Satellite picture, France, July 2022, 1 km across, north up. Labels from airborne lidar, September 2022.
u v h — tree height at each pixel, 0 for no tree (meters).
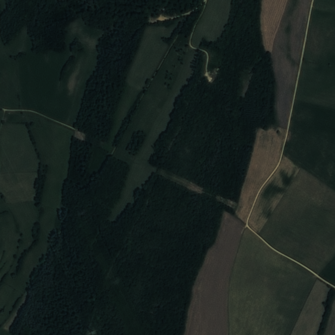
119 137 18
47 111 0
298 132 0
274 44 0
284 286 0
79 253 19
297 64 0
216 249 0
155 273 17
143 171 0
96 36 0
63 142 0
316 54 0
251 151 21
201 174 9
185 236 15
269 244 0
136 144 18
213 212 23
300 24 0
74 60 14
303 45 0
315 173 0
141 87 0
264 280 0
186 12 11
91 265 18
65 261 16
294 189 0
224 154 15
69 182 19
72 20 16
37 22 14
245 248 0
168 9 20
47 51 8
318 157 0
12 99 0
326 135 0
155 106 0
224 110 19
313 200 0
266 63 20
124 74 20
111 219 0
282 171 0
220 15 0
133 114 16
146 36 0
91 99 17
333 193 0
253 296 0
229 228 0
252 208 0
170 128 19
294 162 0
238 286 0
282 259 0
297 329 0
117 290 5
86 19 19
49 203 0
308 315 0
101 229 21
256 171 0
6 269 0
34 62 0
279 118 0
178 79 0
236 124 12
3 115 0
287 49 0
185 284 22
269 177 0
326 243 0
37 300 20
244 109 18
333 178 0
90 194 23
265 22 0
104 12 18
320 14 0
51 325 7
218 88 13
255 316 0
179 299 20
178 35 18
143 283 6
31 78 0
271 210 0
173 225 7
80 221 15
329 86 0
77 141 15
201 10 12
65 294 17
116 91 17
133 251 17
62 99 0
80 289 15
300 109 0
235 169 19
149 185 15
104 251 8
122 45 22
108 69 22
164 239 12
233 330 0
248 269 0
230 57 20
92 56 0
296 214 0
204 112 10
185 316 19
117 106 9
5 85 0
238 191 13
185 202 5
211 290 0
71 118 0
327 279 0
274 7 0
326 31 0
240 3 17
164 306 10
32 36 20
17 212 0
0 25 12
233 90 18
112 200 18
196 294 0
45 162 0
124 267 18
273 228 0
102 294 13
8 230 0
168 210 8
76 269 14
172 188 8
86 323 8
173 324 22
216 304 0
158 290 17
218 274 0
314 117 0
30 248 9
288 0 0
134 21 22
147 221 7
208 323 0
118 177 21
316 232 0
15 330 23
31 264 0
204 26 0
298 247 0
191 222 10
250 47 19
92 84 19
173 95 0
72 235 12
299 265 0
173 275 18
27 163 0
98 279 16
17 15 14
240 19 13
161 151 13
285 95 0
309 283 0
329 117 0
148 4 24
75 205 18
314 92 0
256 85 13
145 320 13
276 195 0
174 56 0
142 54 0
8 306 0
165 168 16
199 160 9
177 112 20
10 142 0
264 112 19
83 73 0
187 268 18
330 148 0
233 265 0
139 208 19
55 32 21
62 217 16
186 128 6
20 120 0
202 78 6
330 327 0
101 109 11
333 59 0
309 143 0
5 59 0
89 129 14
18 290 0
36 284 26
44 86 0
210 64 0
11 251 0
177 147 7
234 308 0
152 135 0
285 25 0
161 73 0
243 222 0
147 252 9
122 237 20
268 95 21
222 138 10
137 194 25
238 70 24
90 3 21
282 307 0
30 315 20
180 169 6
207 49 8
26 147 0
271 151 0
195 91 12
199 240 19
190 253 21
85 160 13
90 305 14
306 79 0
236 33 11
